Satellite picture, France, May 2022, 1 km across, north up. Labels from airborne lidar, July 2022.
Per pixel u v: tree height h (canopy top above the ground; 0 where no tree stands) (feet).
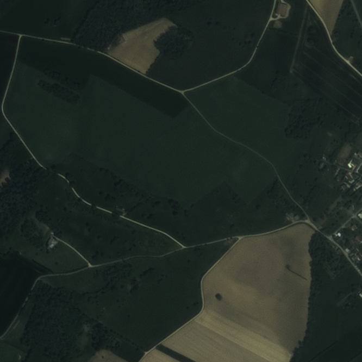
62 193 0
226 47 0
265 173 0
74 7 0
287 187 0
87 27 61
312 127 52
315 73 0
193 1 43
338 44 0
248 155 0
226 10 0
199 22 0
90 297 25
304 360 0
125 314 0
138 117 0
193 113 0
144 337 0
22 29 0
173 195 0
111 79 0
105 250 0
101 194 48
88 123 0
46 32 0
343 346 0
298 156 0
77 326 73
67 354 62
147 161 0
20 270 0
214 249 0
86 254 0
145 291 0
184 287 0
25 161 25
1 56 0
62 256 0
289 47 0
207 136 0
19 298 0
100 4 52
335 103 0
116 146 0
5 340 0
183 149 0
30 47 0
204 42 0
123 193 47
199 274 0
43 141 0
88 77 0
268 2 0
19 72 0
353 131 28
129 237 0
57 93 39
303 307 0
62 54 0
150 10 49
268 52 0
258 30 0
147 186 0
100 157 0
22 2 0
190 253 0
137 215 0
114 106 0
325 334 0
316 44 0
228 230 0
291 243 0
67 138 0
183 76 0
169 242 0
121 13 58
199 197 0
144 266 0
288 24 0
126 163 0
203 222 0
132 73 0
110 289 27
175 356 0
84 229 0
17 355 0
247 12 0
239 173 0
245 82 0
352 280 0
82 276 0
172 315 0
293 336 0
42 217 64
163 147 0
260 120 0
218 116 0
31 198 64
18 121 0
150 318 0
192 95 0
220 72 0
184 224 0
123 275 66
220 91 0
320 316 0
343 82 0
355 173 21
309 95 0
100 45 34
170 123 0
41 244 56
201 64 0
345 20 0
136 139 0
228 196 0
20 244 0
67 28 0
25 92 0
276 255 0
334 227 22
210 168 0
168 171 0
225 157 0
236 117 0
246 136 0
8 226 72
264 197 0
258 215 0
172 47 67
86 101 0
